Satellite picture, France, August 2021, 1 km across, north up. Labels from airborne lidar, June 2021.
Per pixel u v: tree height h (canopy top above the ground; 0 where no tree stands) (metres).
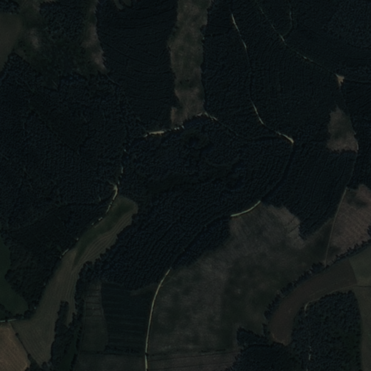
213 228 24
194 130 9
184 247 16
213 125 27
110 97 27
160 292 0
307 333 17
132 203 0
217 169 12
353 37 18
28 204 20
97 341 0
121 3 15
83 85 21
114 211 0
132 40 15
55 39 25
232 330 0
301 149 24
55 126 6
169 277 0
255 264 0
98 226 0
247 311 0
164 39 17
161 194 20
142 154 29
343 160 15
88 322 0
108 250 11
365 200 0
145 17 12
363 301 0
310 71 14
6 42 0
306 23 14
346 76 16
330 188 15
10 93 25
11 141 21
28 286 12
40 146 18
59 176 17
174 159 20
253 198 22
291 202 15
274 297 0
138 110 18
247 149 28
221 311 0
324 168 16
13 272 16
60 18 26
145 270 26
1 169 26
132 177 25
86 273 20
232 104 22
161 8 13
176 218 25
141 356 0
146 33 13
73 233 21
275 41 16
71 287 0
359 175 11
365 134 18
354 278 0
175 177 20
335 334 7
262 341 15
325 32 15
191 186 20
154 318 0
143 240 21
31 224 8
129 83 19
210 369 0
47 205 20
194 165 34
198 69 0
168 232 22
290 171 26
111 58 15
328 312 10
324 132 18
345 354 11
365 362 0
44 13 20
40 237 10
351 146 0
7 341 0
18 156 16
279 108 13
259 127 23
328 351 9
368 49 20
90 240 0
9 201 27
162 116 19
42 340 0
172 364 0
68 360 0
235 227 0
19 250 14
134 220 16
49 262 10
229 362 0
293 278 0
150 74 15
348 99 14
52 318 0
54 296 0
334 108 17
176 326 0
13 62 9
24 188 20
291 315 0
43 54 0
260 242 0
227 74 23
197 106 0
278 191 23
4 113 25
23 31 0
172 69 15
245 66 17
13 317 8
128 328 0
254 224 0
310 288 0
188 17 0
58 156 24
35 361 9
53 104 15
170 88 15
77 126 9
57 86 0
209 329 0
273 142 25
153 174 32
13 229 16
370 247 0
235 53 16
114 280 18
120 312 0
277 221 0
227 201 22
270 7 14
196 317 0
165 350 0
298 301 0
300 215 17
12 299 0
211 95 19
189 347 0
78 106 23
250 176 23
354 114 19
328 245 0
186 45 0
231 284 0
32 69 15
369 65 17
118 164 26
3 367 0
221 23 13
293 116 12
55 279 0
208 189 20
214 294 0
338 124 0
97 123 15
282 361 16
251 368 18
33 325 0
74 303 0
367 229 0
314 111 12
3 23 0
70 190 20
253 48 24
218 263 0
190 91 0
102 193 19
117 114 26
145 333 0
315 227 15
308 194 15
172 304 0
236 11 23
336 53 16
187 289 0
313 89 14
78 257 0
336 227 0
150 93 13
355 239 0
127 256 23
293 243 0
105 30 17
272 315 15
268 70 16
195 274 0
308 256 0
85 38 0
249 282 0
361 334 6
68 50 0
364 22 19
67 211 11
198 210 17
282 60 17
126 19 15
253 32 18
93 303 0
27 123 17
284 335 0
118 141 24
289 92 9
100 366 0
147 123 18
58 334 10
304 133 22
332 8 14
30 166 19
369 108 14
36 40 0
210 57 13
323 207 18
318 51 16
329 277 0
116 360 0
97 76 7
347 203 0
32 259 15
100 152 22
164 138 7
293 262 0
